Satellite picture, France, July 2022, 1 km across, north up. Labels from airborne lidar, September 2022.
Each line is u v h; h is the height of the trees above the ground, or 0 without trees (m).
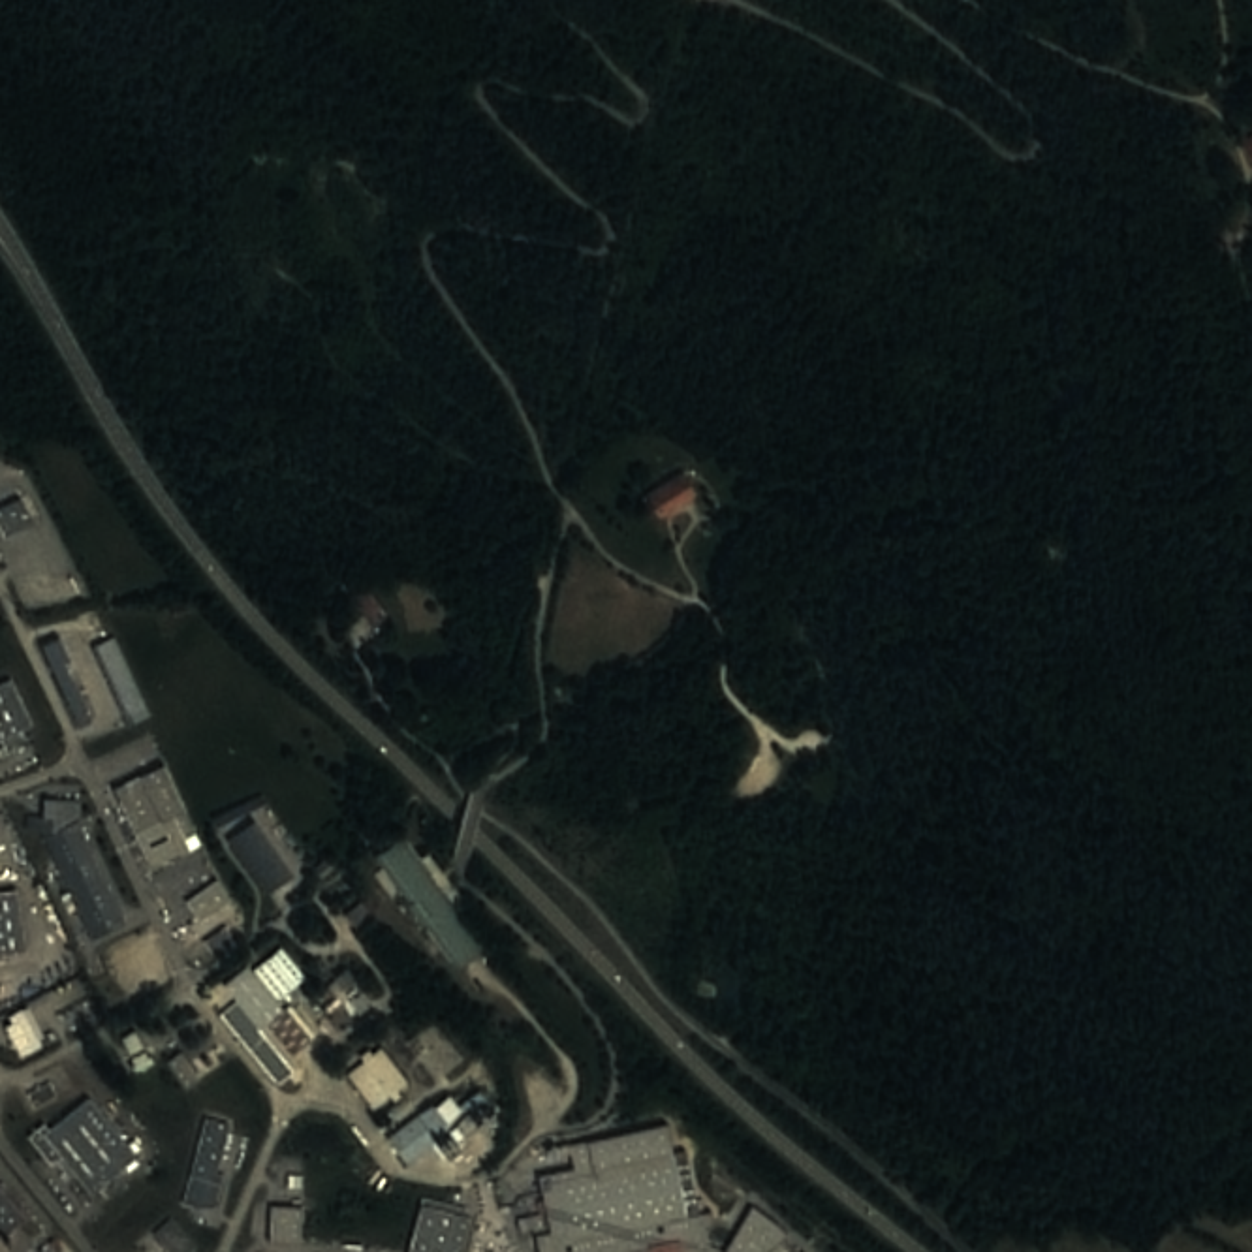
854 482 18
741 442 12
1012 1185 14
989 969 23
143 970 0
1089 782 23
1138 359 22
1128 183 17
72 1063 0
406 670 16
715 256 16
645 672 8
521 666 11
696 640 17
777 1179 6
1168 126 20
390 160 17
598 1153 0
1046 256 14
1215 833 19
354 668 10
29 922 0
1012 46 25
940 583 19
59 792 0
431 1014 11
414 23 9
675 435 16
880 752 20
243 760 0
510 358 9
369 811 17
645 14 6
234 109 15
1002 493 23
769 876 18
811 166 14
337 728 7
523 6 26
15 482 0
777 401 16
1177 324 10
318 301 6
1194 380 23
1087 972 28
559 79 12
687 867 11
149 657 0
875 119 16
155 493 0
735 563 21
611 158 20
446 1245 0
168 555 16
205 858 0
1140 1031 26
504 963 14
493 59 12
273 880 0
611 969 0
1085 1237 16
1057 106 30
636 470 12
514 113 19
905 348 23
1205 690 22
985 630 9
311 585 21
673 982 7
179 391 23
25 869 0
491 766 12
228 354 14
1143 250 22
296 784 0
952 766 18
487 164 22
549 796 8
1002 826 32
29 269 0
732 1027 12
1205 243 20
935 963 22
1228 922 22
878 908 23
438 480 7
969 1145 7
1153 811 24
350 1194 8
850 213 12
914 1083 22
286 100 9
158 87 23
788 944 9
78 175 15
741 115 11
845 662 14
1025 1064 26
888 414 18
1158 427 25
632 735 22
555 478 7
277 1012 0
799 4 7
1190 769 17
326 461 21
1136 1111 34
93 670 0
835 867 26
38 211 12
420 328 13
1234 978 29
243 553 13
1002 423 17
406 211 16
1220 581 23
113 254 8
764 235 9
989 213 18
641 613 0
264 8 18
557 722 14
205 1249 0
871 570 17
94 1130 0
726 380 16
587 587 0
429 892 0
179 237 20
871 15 13
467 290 18
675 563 0
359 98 16
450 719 9
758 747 0
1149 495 20
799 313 13
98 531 0
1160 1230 20
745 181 15
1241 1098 21
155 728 0
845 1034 32
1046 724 26
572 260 16
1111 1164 29
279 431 21
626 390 11
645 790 15
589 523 0
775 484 18
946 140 10
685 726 16
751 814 13
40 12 10
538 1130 0
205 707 0
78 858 0
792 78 10
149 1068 0
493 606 12
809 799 13
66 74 13
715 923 25
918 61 10
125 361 17
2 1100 0
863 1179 18
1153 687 29
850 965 21
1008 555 17
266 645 7
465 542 20
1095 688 21
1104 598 26
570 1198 0
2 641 0
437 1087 0
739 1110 0
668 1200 0
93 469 10
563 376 13
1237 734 15
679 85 9
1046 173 16
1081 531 30
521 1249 0
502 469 19
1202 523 16
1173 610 24
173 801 0
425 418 11
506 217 19
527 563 19
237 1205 0
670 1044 0
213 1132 0
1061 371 23
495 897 6
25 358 13
